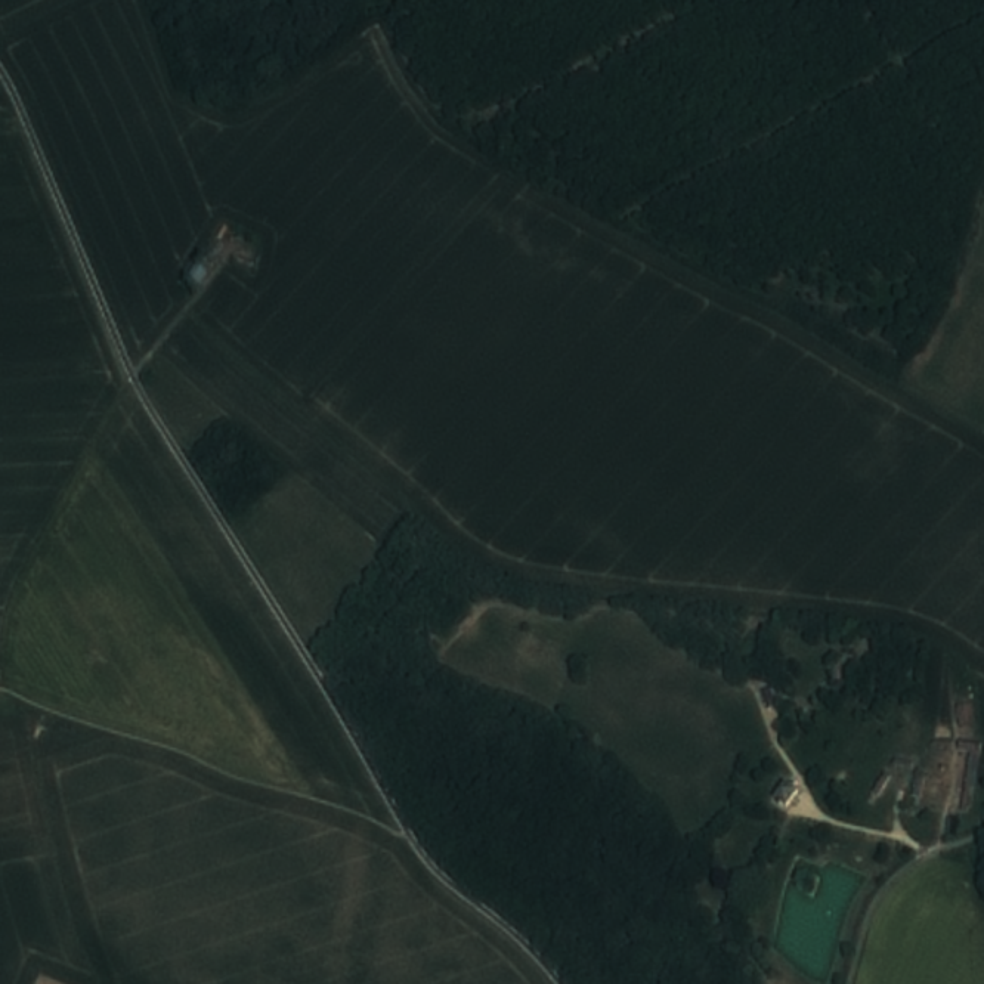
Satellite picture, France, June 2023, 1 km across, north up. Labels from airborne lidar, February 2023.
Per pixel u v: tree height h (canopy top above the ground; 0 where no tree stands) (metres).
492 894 19
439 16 15
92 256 0
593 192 17
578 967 21
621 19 15
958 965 0
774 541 0
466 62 17
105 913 0
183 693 0
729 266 12
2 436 0
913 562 0
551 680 0
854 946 12
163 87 0
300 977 0
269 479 14
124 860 0
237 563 0
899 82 16
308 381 0
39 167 0
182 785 0
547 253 0
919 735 0
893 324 16
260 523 0
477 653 0
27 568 0
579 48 17
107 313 0
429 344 0
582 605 19
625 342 0
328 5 27
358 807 0
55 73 0
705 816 0
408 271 0
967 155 19
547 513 0
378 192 0
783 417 0
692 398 0
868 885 0
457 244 0
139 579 0
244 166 0
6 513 0
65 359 0
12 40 0
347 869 0
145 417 0
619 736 0
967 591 0
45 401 0
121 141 0
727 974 24
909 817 0
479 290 0
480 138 17
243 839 0
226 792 0
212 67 18
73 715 0
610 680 0
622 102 16
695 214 21
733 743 0
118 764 0
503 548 0
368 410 0
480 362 0
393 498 0
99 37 0
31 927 0
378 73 0
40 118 0
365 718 22
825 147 19
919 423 0
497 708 21
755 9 22
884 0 23
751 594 0
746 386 0
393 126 0
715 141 20
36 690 0
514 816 22
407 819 12
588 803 24
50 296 0
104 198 0
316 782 0
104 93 0
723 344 0
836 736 0
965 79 20
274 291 0
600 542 0
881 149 17
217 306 0
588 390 0
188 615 0
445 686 24
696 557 0
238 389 0
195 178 0
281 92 17
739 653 18
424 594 22
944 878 0
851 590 0
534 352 0
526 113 21
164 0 17
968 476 0
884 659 21
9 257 0
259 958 0
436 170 0
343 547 0
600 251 0
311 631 0
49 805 0
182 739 0
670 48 18
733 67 18
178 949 0
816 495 0
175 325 0
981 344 0
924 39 18
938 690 0
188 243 0
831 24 21
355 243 0
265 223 0
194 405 0
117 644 0
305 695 0
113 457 0
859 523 0
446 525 0
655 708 0
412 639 19
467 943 0
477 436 0
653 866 22
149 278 0
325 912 0
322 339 0
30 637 0
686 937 22
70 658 0
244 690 0
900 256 14
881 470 0
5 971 0
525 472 0
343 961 0
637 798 19
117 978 0
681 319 0
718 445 0
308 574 0
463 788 23
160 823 0
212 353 0
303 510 0
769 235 17
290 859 0
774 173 17
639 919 22
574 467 0
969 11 19
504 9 15
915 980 0
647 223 14
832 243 17
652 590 0
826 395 0
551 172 17
